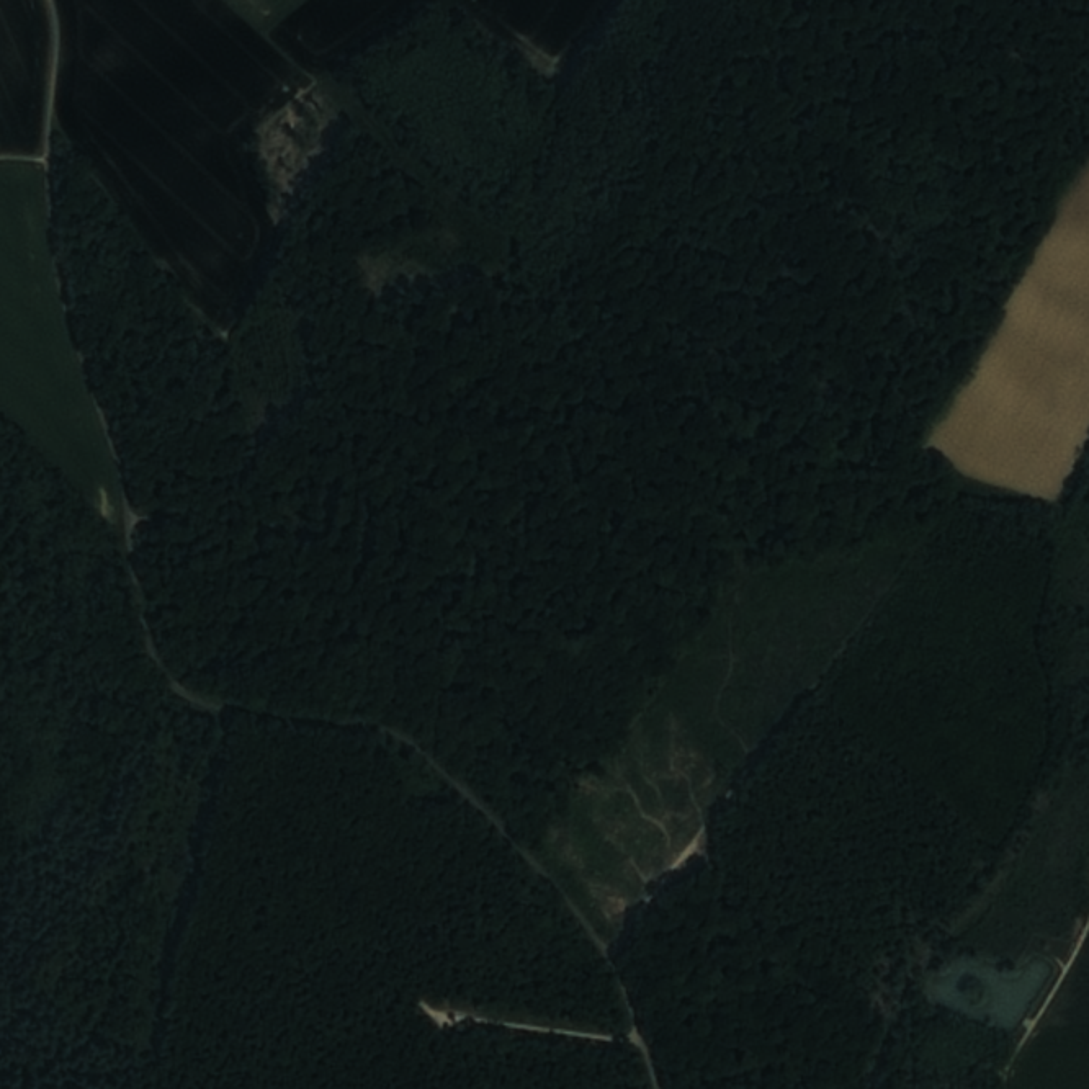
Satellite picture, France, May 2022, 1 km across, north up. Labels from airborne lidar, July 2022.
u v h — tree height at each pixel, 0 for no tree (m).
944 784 7
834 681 6
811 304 30
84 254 23
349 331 25
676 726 0
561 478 30
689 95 22
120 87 0
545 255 21
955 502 7
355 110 0
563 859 0
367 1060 18
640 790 0
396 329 29
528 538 30
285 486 29
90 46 0
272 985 21
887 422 24
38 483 27
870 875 21
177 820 8
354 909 23
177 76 0
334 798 24
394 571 29
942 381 23
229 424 27
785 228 27
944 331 27
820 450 33
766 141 25
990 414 0
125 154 0
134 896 24
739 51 29
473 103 26
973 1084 25
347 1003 23
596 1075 22
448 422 25
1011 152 30
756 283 28
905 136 24
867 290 28
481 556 30
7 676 27
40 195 0
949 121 28
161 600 18
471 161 26
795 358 26
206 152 0
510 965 23
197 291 0
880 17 26
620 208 29
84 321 25
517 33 0
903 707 8
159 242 0
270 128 0
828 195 31
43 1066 9
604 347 29
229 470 23
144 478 26
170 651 15
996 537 18
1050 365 0
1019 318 0
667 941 31
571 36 0
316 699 22
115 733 21
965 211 24
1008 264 20
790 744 20
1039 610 7
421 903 23
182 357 23
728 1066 32
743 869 22
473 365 24
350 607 27
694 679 0
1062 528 6
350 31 0
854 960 18
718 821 19
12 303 0
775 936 29
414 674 29
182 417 25
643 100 13
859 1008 28
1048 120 31
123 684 26
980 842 17
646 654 32
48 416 0
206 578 21
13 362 0
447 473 30
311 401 23
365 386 27
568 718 27
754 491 31
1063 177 17
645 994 31
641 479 29
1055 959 0
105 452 0
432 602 29
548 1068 20
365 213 29
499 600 29
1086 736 10
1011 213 25
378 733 22
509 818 24
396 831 25
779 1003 27
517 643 32
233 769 27
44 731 27
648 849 0
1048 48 26
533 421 25
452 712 32
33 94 0
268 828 22
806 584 0
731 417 31
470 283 30
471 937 23
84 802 23
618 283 26
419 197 26
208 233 0
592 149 27
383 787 24
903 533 13
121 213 16
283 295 21
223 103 0
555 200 31
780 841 22
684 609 30
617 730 32
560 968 24
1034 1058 0
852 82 33
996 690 7
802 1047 25
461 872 23
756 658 0
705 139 24
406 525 20
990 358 0
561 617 30
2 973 30
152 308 23
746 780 23
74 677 27
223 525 27
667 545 30
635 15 25
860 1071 22
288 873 23
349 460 24
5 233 0
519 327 24
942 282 26
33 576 31
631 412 32
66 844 34
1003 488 0
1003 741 8
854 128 22
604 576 29
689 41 28
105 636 28
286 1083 18
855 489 28
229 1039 23
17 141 0
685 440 33
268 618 24
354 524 29
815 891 19
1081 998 0
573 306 23
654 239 27
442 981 23
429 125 27
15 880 23
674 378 28
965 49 32
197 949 24
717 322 32
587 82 27
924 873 20
